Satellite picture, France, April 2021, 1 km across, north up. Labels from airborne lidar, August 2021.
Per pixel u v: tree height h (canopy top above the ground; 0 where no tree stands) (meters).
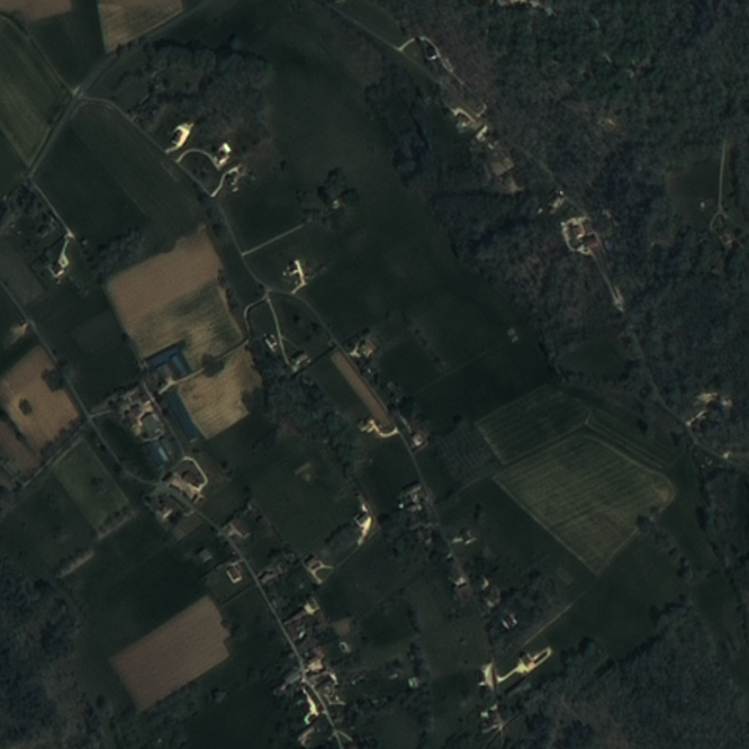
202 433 0
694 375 20
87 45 0
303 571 11
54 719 18
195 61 26
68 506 0
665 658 19
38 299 0
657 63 19
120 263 9
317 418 24
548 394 0
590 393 0
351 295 0
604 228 21
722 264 17
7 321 0
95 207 0
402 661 0
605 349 0
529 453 0
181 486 0
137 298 0
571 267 23
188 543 0
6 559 11
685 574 12
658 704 16
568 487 0
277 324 0
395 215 0
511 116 24
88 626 0
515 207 11
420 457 0
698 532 0
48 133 0
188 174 0
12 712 23
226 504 0
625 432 0
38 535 0
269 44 0
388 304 0
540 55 15
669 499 0
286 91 0
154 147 0
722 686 21
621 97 28
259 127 18
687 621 20
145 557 0
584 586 0
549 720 12
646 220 22
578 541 0
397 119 0
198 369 0
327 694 0
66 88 8
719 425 22
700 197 0
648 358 19
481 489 0
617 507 0
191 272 0
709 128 19
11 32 0
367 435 0
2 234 9
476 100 17
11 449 0
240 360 0
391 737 0
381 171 0
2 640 6
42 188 0
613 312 14
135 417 8
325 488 0
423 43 9
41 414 0
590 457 0
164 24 0
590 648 17
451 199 17
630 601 0
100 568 0
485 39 17
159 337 0
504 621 11
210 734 0
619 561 0
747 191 22
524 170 25
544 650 0
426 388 0
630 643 0
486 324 0
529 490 0
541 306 10
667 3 22
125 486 0
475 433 8
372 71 0
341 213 10
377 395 0
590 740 15
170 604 0
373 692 0
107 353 0
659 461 0
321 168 0
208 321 0
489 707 8
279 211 0
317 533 0
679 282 28
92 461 0
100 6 0
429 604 0
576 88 25
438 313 0
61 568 9
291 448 0
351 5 0
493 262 22
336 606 0
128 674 0
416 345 0
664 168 19
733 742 21
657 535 18
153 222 0
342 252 0
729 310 19
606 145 19
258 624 7
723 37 17
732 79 25
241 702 0
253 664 0
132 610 0
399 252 0
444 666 0
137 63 0
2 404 0
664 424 0
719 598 0
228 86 26
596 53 18
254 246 0
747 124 22
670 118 19
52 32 0
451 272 0
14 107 0
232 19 0
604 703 17
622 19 23
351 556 0
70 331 0
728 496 17
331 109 0
